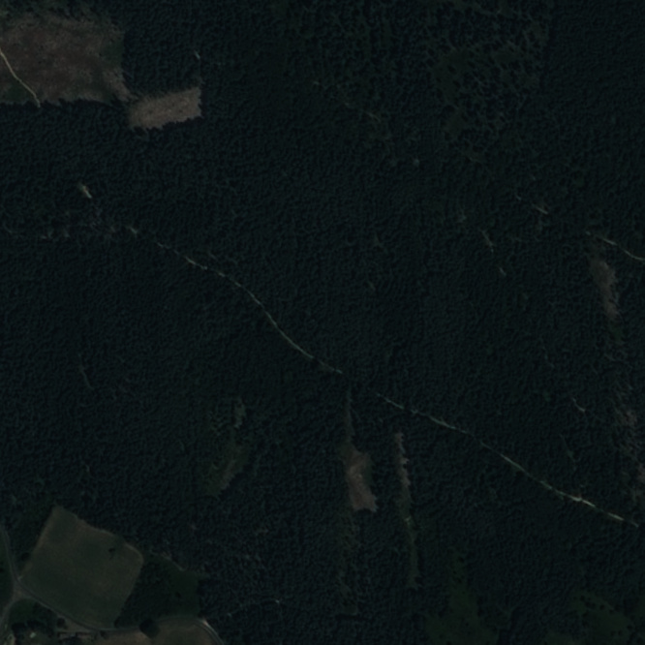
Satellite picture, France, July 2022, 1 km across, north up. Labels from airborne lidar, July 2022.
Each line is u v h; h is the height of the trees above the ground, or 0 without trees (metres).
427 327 23
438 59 19
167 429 19
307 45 13
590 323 15
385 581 23
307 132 12
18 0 25
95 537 0
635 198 9
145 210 19
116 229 13
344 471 18
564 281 20
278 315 23
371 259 26
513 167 17
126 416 24
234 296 20
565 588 27
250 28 11
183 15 26
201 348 17
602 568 21
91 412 15
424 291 8
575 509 19
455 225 11
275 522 22
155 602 9
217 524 27
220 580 25
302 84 12
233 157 24
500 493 17
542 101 14
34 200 18
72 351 19
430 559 17
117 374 23
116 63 0
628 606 15
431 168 16
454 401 23
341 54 13
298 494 14
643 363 21
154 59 25
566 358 12
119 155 19
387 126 6
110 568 0
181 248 23
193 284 21
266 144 20
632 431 16
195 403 18
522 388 11
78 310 20
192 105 0
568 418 23
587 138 17
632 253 9
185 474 21
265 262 24
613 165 12
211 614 27
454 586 8
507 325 15
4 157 19
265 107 17
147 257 15
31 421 19
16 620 0
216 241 25
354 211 21
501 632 13
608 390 16
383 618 25
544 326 15
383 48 9
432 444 20
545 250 18
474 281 14
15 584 0
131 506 20
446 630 0
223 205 22
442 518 15
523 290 11
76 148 24
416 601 36
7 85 0
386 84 16
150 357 18
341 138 15
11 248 21
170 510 19
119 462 23
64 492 25
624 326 13
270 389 19
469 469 14
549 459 15
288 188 19
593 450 21
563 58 21
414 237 18
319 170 21
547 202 15
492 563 17
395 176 19
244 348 16
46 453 25
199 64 18
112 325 21
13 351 20
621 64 21
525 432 17
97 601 0
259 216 23
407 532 21
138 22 26
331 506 19
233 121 19
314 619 22
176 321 19
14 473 25
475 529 23
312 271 21
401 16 25
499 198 12
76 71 0
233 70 17
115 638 0
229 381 18
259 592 16
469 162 23
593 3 16
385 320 15
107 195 19
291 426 17
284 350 16
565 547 19
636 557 15
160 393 20
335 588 26
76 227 16
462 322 23
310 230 19
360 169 26
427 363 24
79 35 0
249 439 15
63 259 16
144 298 18
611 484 18
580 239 18
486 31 17
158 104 0
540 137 14
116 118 20
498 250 14
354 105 10
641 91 12
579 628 25
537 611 28
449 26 21
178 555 25
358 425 23
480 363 18
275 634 22
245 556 7
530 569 18
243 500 24
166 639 0
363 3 8
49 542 0
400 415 15
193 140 23
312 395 12
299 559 24
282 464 18
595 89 16
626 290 9
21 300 22
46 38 0
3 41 0
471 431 19
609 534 10
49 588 0
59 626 12
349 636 24
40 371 20
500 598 24
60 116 28
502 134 14
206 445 21
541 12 20
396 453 26
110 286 21
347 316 24
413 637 24
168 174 25
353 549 11
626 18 18
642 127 14
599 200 16
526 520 21
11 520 22
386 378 22
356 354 20
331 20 21
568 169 18
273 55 15
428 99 19
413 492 20
